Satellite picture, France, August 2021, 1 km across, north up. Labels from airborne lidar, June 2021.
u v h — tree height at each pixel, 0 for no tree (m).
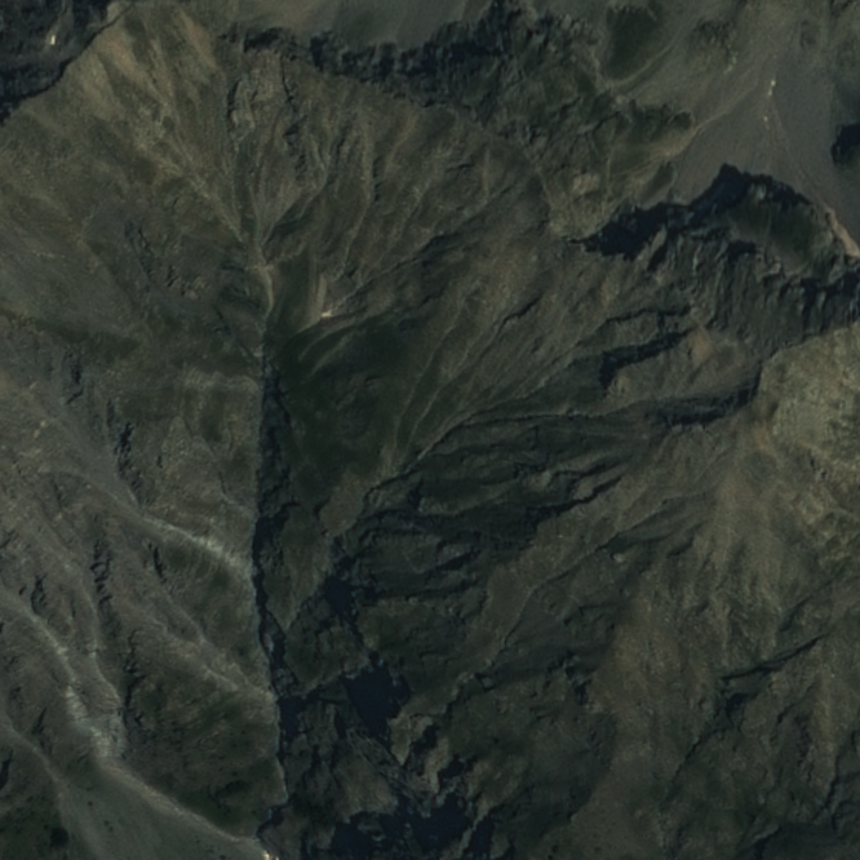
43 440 0
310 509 0
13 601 0
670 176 0
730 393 0
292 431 0
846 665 0
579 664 0
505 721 0
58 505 0
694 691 0
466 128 0
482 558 0
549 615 0
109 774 0
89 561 0
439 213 0
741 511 0
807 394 0
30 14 0
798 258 0
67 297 0
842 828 0
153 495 0
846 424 0
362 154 0
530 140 0
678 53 0
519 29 0
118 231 0
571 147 0
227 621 0
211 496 0
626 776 0
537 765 0
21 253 0
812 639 0
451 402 0
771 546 0
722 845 0
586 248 0
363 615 0
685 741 0
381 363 0
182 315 0
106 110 0
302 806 8
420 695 0
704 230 0
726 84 0
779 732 0
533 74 0
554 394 0
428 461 0
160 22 0
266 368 0
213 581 0
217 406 0
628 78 0
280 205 0
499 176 0
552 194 0
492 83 0
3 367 0
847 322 0
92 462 0
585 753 0
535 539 0
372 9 0
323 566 0
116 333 0
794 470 0
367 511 0
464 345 0
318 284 0
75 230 0
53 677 0
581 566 0
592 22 0
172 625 0
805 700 0
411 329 0
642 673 0
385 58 0
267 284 0
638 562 0
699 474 0
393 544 0
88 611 0
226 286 0
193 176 0
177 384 0
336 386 0
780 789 0
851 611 0
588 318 0
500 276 0
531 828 0
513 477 0
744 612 0
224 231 0
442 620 0
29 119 0
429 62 0
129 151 0
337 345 0
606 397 0
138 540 0
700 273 0
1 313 0
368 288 0
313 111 0
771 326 0
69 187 0
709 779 0
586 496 0
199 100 0
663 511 0
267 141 0
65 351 0
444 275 0
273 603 0
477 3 0
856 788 0
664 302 0
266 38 0
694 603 0
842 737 0
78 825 0
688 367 0
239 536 0
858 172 0
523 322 0
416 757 0
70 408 0
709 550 0
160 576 0
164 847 0
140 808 0
